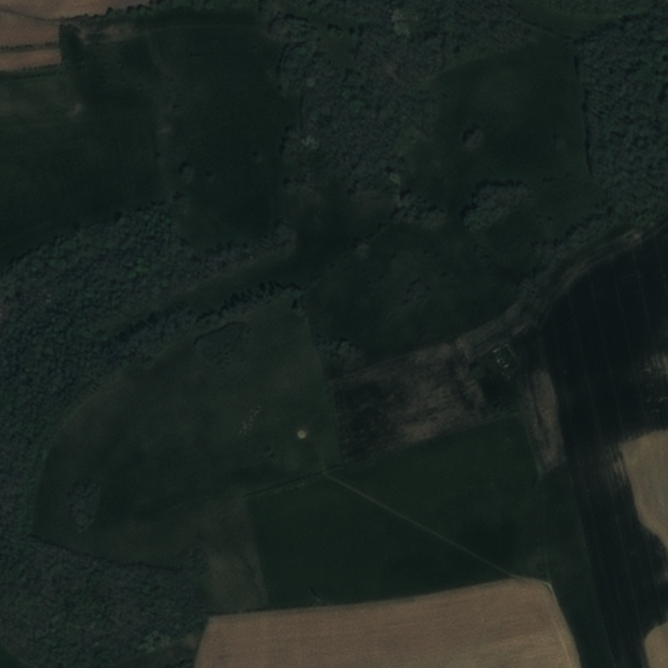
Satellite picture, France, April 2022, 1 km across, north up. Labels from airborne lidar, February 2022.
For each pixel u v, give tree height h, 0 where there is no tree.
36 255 11
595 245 0
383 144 22
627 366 0
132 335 13
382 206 0
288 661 0
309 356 0
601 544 0
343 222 0
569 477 0
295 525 0
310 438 0
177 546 0
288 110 0
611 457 0
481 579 0
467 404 0
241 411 0
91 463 0
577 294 0
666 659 0
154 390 0
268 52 0
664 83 9
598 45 22
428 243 0
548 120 0
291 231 16
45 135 0
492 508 0
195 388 0
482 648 0
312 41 19
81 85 0
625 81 27
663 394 0
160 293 22
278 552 0
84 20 5
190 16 0
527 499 0
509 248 0
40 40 0
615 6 23
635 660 0
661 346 0
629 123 25
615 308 0
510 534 0
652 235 0
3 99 0
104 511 0
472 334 0
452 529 0
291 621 0
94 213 0
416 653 0
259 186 0
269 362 0
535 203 0
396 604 0
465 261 0
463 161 0
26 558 21
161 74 0
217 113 0
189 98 0
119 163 0
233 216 0
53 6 0
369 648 0
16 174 0
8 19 0
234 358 0
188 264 17
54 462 0
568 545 0
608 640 0
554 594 0
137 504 0
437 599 0
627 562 0
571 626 0
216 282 0
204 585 0
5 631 17
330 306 0
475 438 0
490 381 0
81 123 0
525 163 0
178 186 0
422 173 0
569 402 0
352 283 0
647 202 20
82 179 0
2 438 20
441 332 0
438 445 0
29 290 18
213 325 9
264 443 0
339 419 0
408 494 0
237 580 0
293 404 0
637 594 0
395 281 0
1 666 0
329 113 27
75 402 18
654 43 21
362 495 0
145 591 20
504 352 0
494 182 0
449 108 0
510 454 0
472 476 0
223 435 0
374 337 0
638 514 0
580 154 0
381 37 24
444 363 0
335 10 17
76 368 22
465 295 0
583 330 0
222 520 0
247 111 0
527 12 0
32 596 23
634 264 0
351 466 0
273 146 0
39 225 0
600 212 9
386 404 0
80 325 16
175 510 0
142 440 0
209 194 0
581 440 0
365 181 8
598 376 0
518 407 0
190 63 0
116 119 0
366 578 0
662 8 24
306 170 12
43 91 0
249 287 0
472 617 0
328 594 0
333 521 0
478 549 0
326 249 0
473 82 0
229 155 0
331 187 0
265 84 0
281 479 0
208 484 0
